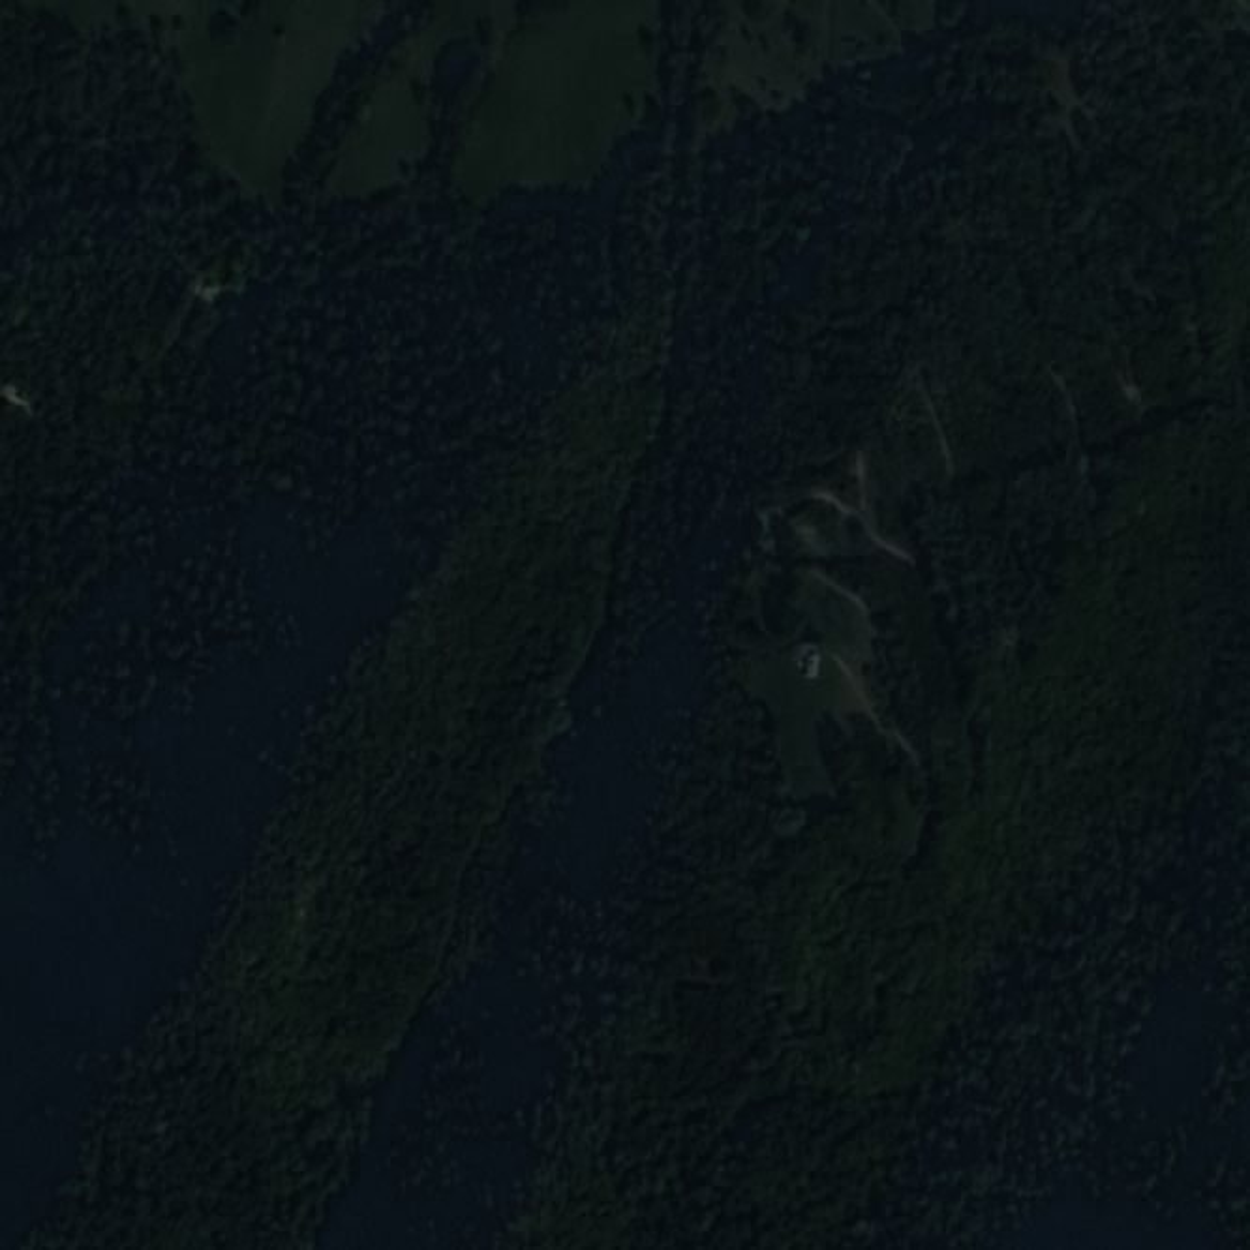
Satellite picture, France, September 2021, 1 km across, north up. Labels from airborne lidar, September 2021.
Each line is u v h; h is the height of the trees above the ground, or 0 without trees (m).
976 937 27
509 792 11
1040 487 23
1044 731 24
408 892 22
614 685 26
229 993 25
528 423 7
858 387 23
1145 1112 23
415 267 28
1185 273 17
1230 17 9
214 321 26
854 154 26
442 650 24
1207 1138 20
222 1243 24
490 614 32
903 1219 16
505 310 13
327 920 19
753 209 34
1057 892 29
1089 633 30
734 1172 29
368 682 23
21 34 27
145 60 28
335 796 27
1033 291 23
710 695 22
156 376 17
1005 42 23
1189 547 29
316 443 34
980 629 22
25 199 34
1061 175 22
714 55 16
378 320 20
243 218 14
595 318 25
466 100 31
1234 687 26
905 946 25
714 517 28
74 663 26
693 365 23
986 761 22
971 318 24
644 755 32
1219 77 22
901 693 21
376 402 29
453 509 24
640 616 24
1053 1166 11
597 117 0
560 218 21
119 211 18
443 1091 21
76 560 28
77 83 18
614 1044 20
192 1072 28
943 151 28
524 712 22
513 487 19
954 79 24
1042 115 19
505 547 28
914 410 12
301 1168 29
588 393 16
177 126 12
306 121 0
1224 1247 27
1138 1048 18
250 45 0
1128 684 24
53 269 30
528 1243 12
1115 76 18
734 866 28
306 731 25
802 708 0
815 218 31
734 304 22
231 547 26
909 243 25
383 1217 20
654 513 22
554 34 0
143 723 20
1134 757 31
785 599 25
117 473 21
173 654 36
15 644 15
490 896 10
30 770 34
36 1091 9
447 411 33
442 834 27
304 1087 20
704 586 30
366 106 28
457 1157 18
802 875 25
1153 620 33
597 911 25
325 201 8
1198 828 24
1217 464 26
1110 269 15
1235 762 22
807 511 6
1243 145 24
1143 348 11
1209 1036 24
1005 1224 22
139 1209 38
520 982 29
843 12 0
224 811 17
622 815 22
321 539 32
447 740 31
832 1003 31
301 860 22
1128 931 9
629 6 0
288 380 39
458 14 0
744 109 18
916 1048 25
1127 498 34
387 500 27
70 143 30
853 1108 25
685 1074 20
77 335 29
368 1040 21
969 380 23
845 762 22
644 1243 28
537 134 0
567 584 30
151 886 21
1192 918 20
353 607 18
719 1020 22
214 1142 26
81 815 35
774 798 21
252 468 10
